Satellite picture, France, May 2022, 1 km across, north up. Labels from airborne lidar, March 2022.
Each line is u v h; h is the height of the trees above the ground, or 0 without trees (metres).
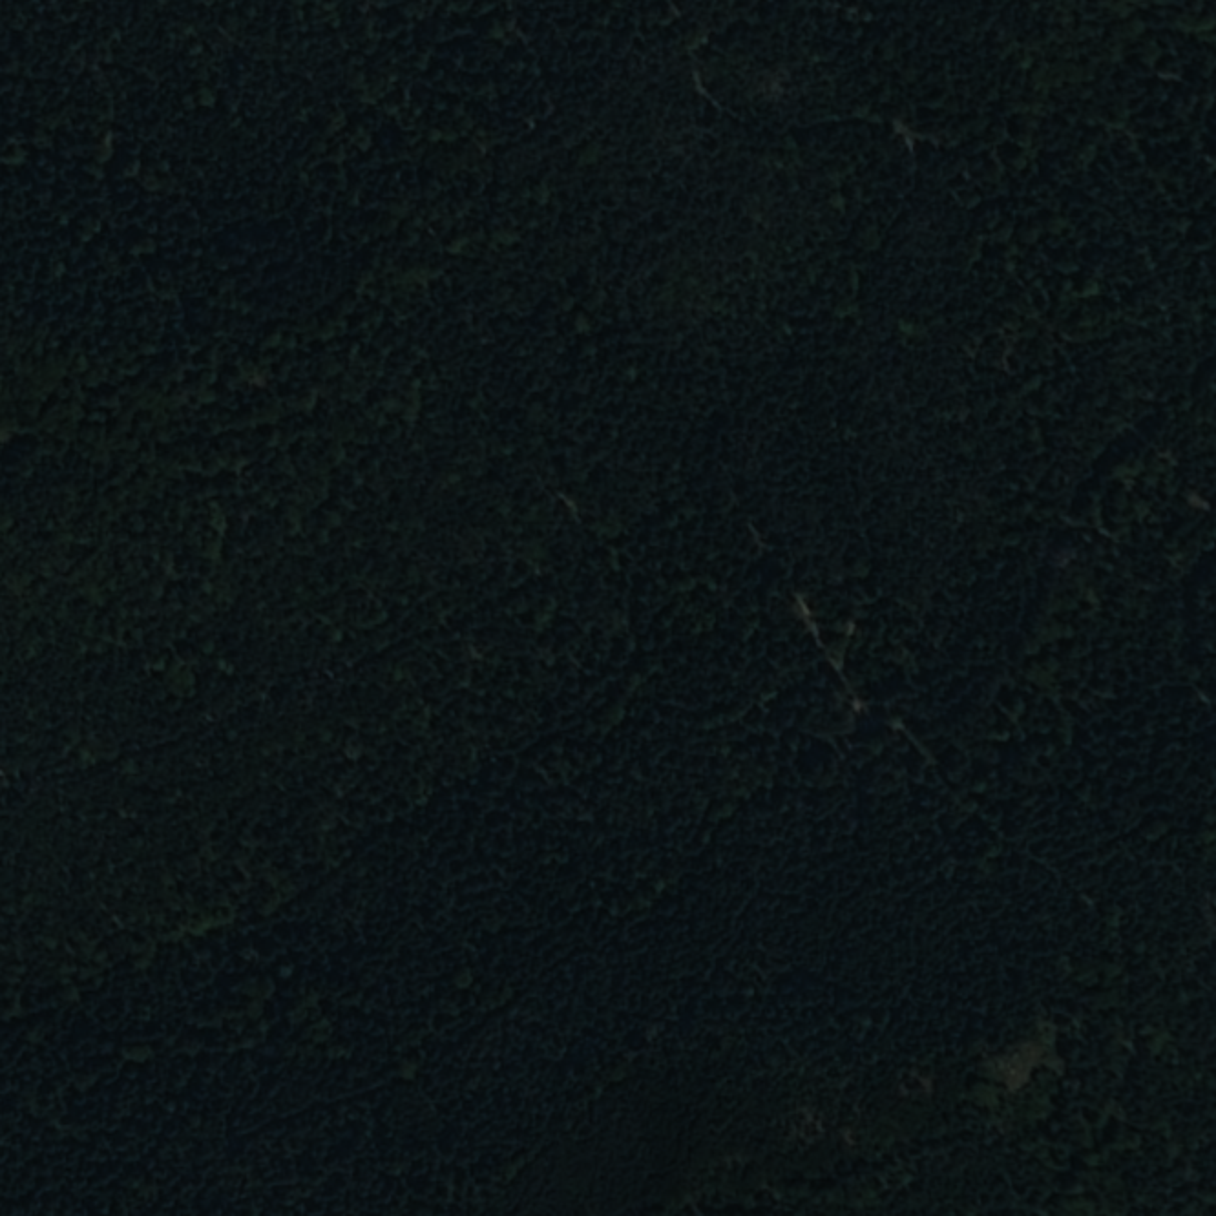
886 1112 8
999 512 12
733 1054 10
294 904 30
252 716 29
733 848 26
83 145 33
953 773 32
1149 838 16
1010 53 26
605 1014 27
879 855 27
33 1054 24
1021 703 32
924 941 31
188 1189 23
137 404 24
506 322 34
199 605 25
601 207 11
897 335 21
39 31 27
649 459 30
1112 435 17
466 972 26
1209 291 17
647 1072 10
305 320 32
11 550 18
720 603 26
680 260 22
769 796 9
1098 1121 21
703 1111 9
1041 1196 18
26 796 22
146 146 29
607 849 28
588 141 24
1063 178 32
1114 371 26
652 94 22
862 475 20
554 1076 21
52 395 26
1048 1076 10
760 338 27
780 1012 24
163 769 27
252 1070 26
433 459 24
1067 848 33
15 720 25
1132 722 15
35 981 26
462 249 18
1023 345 8
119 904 27
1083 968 21
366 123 28
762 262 22
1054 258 34
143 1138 33
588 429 26
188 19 26
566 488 34
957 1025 25
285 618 26
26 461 23
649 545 35
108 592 18
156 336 21
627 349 27
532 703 16
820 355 28
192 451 24
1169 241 27
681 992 22
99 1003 29
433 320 36
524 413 27
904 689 37
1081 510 33
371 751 23
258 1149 26
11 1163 28
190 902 30
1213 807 21
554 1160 12
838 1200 20
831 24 24
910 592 22
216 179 25
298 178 25
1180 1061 12
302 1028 26
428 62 15
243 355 18
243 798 26
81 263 19
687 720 29
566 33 21
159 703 27
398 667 29
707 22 25
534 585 27
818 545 28
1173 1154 24
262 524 23
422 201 23
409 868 24
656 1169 11
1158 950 21
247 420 20
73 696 20
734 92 25
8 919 26
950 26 22
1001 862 30
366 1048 27
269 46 25
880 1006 23
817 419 27
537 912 29
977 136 22
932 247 21
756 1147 7
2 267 19
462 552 26
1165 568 30
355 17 30
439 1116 9
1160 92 27
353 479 24
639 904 27
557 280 15
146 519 27
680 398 30
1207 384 27
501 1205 13
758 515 16
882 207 30
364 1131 21
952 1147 20
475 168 8
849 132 25
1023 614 39
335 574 25
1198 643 33
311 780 31
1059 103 39
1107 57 32
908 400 23
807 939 22
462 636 34
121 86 23
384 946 28
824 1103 9
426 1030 31
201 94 22
